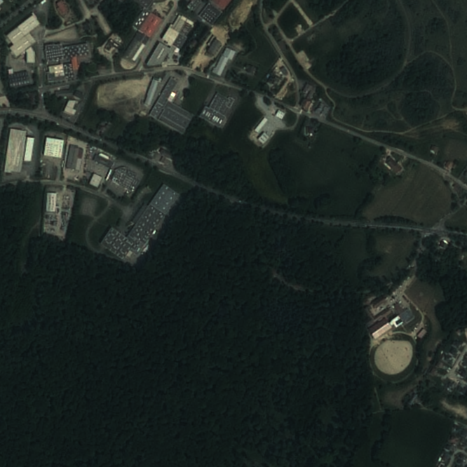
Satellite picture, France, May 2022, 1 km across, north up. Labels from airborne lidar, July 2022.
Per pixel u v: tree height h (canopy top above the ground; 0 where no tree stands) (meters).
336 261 15
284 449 29
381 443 13
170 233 25
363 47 13
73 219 12
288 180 20
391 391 0
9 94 10
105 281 29
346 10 12
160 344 27
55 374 28
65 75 0
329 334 25
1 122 0
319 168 0
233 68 0
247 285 30
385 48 7
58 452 27
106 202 0
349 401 16
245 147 0
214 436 27
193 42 0
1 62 7
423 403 8
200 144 19
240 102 0
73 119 0
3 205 22
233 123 0
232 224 29
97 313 26
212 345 28
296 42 0
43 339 26
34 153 0
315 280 8
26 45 0
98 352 29
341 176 0
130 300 28
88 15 0
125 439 30
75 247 23
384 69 14
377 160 10
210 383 30
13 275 24
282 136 0
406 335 0
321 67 0
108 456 27
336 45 0
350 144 0
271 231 24
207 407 29
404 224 10
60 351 29
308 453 27
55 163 0
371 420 15
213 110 0
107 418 29
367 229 9
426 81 13
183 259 30
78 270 27
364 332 20
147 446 26
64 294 28
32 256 26
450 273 10
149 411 31
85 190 0
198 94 0
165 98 0
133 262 0
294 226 22
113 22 13
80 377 29
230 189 14
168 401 30
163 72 0
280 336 25
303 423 13
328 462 24
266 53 0
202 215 24
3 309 24
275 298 23
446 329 15
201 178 21
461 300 17
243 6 0
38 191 17
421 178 0
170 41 0
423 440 0
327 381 13
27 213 18
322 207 17
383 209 0
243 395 25
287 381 24
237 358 23
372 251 6
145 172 0
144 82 0
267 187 0
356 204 0
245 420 25
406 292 0
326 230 0
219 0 0
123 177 0
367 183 0
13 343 24
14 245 21
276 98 0
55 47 0
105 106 0
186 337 26
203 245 30
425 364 0
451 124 0
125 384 30
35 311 20
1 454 24
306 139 14
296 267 26
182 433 30
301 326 25
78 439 26
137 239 0
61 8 0
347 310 28
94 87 0
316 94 0
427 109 12
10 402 24
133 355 31
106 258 20
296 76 0
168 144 10
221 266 28
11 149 0
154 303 30
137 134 18
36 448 26
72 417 29
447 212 0
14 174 0
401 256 0
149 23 0
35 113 0
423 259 14
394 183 0
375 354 0
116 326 28
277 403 25
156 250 27
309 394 23
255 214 21
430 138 0
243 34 18
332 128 0
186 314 30
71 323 24
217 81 0
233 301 24
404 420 0
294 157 0
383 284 22
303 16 0
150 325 27
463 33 0
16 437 27
